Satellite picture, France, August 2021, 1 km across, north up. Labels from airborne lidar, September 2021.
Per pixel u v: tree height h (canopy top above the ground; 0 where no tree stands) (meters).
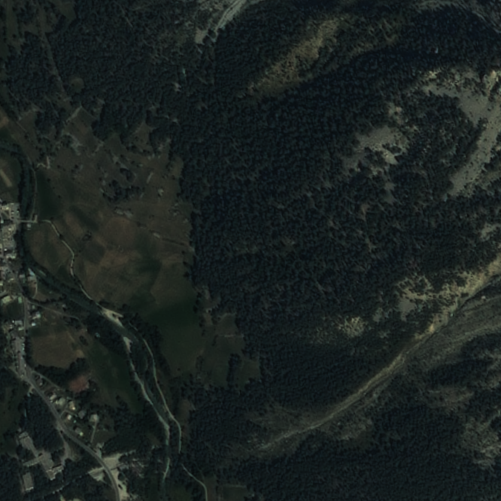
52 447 20
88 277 0
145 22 17
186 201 10
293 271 10
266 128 7
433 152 9
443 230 7
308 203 20
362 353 7
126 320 9
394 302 7
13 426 0
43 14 0
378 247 20
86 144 0
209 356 0
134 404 0
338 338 7
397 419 15
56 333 0
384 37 11
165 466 8
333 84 18
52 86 20
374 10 8
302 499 11
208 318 0
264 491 10
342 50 15
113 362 0
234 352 0
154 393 17
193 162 16
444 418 9
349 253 12
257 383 6
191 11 7
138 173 0
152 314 0
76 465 8
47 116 8
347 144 16
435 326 0
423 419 13
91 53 8
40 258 0
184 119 17
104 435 0
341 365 12
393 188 0
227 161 15
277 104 12
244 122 10
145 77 16
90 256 0
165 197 0
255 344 10
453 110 12
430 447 16
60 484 12
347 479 18
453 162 11
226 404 14
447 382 9
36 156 0
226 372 0
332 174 9
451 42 12
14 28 0
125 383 0
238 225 21
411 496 12
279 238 25
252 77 13
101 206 0
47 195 0
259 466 7
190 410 0
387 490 13
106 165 0
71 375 11
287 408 8
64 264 0
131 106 12
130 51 8
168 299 0
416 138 11
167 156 0
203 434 14
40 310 9
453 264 9
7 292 0
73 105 13
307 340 9
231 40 16
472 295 0
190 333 0
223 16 0
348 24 18
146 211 0
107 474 6
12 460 10
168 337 0
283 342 9
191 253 0
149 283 0
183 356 0
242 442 12
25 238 11
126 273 0
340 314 11
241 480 10
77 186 0
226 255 22
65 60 10
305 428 0
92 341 0
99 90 17
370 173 13
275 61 11
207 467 12
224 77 16
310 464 15
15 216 0
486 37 13
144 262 0
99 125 11
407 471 13
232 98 14
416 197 18
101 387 0
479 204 12
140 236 0
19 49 0
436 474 11
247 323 21
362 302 11
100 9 14
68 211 0
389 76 18
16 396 12
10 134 0
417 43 15
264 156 21
